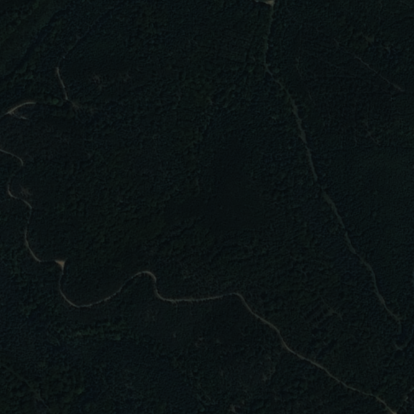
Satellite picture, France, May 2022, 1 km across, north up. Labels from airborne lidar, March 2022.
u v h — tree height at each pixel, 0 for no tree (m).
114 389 16
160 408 24
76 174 19
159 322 11
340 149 16
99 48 11
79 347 21
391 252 10
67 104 8
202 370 16
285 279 12
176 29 19
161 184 18
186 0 12
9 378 28
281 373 13
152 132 18
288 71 12
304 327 5
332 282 24
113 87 13
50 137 13
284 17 10
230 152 17
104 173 19
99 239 19
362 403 15
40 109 11
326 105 15
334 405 12
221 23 19
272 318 11
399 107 9
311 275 19
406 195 5
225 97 20
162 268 16
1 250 13
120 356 21
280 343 14
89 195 17
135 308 10
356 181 10
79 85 15
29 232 7
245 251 15
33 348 21
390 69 20
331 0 10
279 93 23
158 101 19
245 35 19
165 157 20
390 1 9
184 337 10
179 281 11
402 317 19
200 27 19
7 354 22
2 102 12
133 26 22
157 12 26
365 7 9
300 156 27
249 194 11
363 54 11
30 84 24
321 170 25
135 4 21
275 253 9
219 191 17
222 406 10
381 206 9
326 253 23
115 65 16
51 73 13
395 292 17
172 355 12
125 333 8
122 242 15
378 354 9
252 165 16
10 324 22
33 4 22
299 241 20
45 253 12
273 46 18
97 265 15
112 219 19
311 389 14
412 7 7
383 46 13
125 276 13
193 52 15
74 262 16
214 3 20
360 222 19
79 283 15
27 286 19
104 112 20
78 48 11
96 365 18
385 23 13
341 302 8
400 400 14
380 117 8
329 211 27
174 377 26
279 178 26
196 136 23
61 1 14
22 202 13
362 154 11
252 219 13
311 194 28
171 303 12
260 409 28
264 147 24
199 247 14
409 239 14
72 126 16
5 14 18
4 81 20
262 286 13
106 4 15
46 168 16
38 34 9
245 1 17
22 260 8
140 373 16
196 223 10
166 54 17
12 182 8
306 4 13
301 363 21
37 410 21
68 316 8
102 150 20
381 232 17
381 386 15
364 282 25
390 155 11
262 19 12
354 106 15
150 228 17
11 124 7
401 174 7
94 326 9
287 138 26
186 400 26
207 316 12
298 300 17
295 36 14
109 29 18
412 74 18
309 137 22
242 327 12
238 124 21
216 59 20
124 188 17
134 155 18
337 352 20
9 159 13
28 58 26
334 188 20
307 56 12
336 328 14
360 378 8
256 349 14
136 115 18
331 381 12
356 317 13
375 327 23
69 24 18
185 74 14
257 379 8
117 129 20
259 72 21
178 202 12
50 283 11
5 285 31
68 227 13
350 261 28
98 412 15
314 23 14
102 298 9
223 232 13
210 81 20
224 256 12
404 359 22
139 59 14
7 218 10
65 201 13
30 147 9
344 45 10
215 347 9
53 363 33
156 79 13
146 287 12
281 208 14
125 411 25
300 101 21
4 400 20
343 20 17
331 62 11
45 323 36
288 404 13
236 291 11
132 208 20
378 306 25
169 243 20
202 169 18
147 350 27
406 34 13
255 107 19
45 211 12
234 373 10
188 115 21
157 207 12
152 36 23
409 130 6
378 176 9
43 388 21
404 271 15
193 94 18
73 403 20
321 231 29
